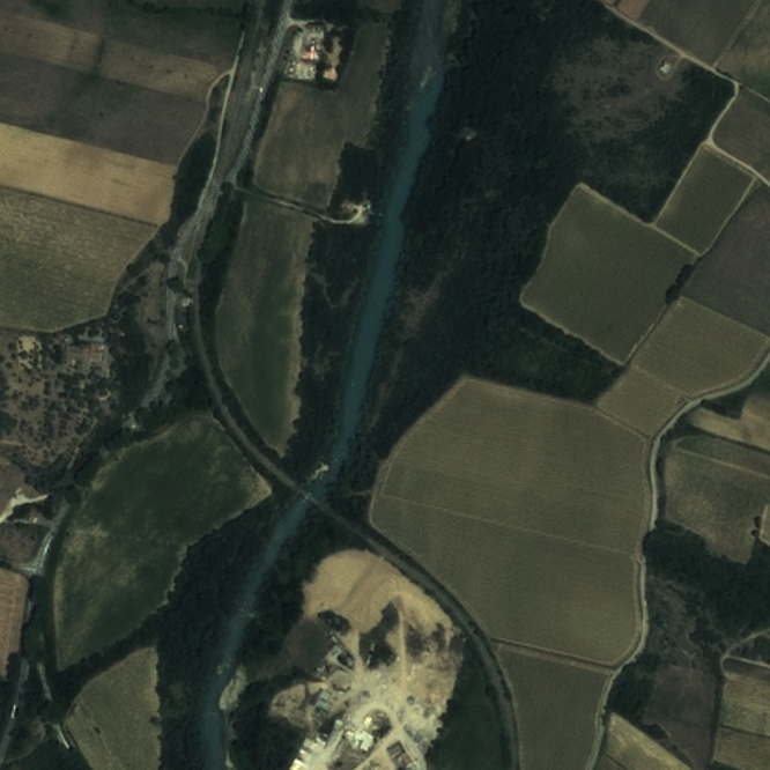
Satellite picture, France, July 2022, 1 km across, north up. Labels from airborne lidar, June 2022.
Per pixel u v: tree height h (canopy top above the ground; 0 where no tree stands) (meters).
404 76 20
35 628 24
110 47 0
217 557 26
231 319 0
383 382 7
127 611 0
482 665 9
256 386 0
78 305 0
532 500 0
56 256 0
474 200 11
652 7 0
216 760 0
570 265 0
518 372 10
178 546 0
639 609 0
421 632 0
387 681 0
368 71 0
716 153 0
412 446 0
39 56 0
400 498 0
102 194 0
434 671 0
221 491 0
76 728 0
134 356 6
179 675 8
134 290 9
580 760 0
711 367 0
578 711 0
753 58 0
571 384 7
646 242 0
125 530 0
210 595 15
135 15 0
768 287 0
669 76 0
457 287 6
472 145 21
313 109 0
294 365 0
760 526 12
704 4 0
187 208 9
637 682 5
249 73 0
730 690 0
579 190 0
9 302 0
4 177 0
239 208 7
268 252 0
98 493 0
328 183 0
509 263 17
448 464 0
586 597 0
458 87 22
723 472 0
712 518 0
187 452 0
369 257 12
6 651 0
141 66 0
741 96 0
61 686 17
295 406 0
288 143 0
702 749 0
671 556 9
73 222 0
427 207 29
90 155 0
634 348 0
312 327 7
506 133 30
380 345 10
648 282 0
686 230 0
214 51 0
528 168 12
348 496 14
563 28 14
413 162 0
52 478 8
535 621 0
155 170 0
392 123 12
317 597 14
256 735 12
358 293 11
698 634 7
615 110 0
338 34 12
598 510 0
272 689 8
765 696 0
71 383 12
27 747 0
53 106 0
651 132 7
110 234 0
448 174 25
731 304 0
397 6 0
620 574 0
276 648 16
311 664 0
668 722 0
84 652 0
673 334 0
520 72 30
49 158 0
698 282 0
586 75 0
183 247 0
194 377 13
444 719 12
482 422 0
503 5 26
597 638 0
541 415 0
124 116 0
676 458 0
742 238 0
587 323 0
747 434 0
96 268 0
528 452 0
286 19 0
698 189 0
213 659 32
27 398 6
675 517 0
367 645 0
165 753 11
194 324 9
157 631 10
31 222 0
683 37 0
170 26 0
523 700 0
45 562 0
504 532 0
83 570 0
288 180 0
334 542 8
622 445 0
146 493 0
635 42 9
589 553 0
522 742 0
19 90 0
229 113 0
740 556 0
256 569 25
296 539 8
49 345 7
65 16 0
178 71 0
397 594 0
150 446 0
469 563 0
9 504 0
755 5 0
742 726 0
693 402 0
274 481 14
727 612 9
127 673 0
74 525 0
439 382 9
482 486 0
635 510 0
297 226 0
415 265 20
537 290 0
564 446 0
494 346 6
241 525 21
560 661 0
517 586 0
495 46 28
